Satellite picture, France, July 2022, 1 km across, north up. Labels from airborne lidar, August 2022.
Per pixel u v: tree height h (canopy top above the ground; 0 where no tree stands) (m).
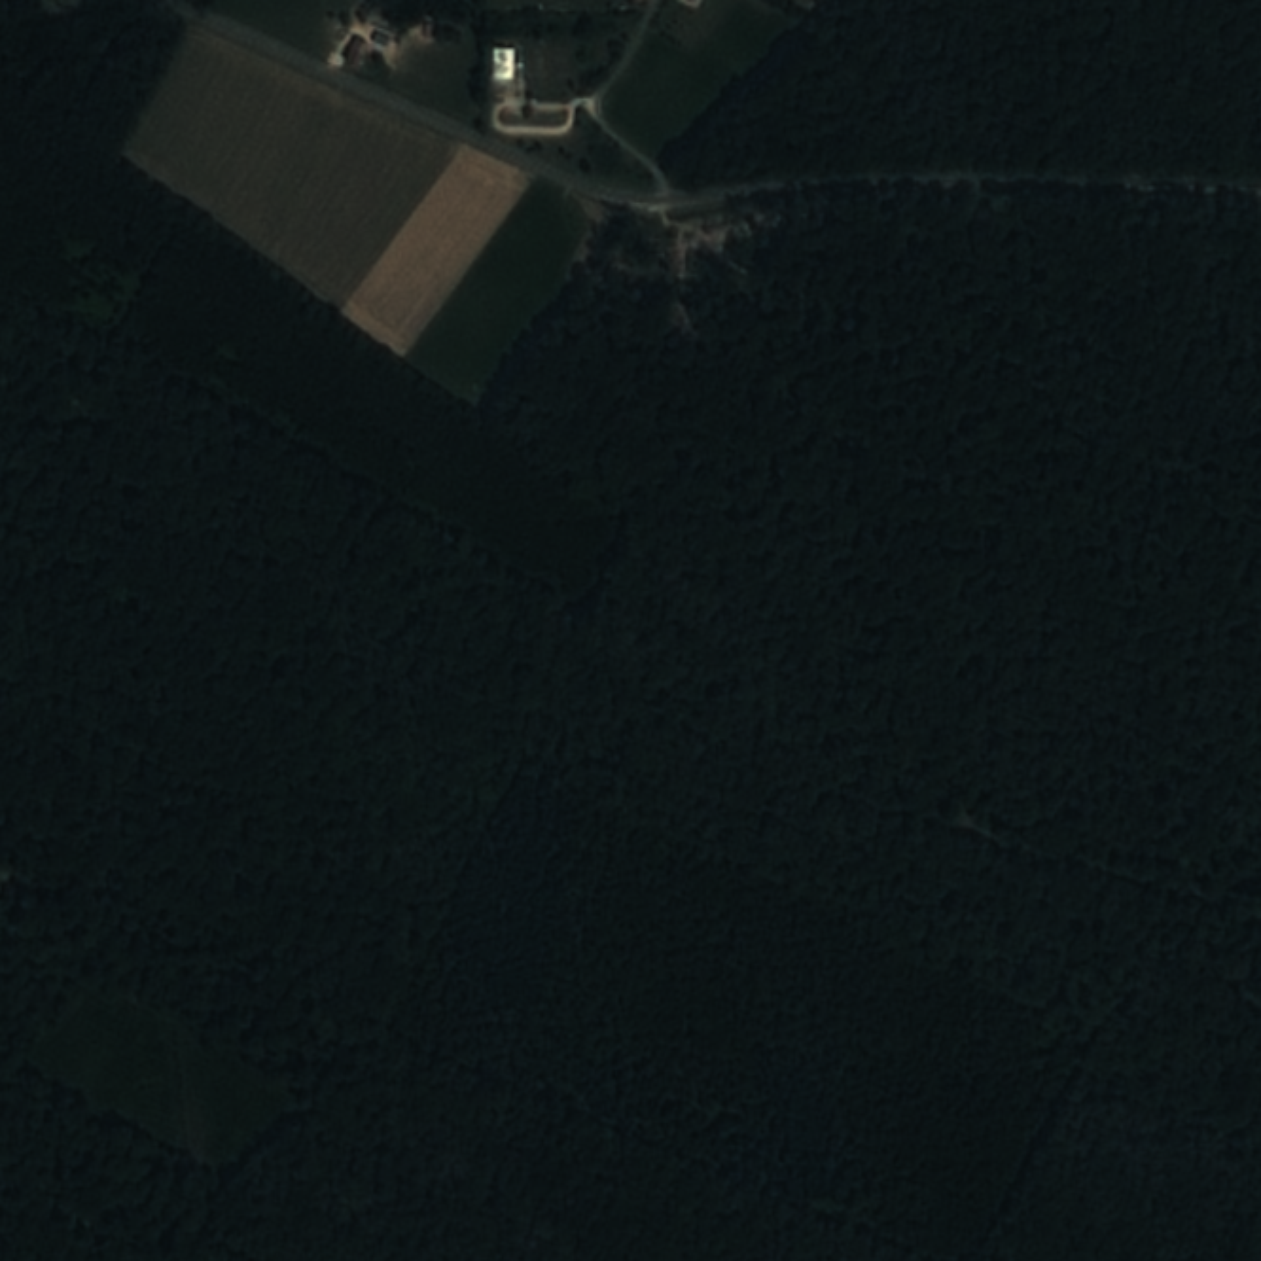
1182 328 24
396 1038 21
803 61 24
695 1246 24
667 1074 11
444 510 7
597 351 26
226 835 24
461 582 21
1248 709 21
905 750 21
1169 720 25
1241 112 23
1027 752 22
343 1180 24
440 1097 23
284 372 13
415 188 0
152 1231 26
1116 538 23
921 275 21
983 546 21
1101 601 25
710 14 0
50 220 7
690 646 21
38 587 24
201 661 29
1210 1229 21
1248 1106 22
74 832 26
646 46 0
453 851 18
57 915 22
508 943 16
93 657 29
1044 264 26
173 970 20
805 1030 13
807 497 21
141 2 16
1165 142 24
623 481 26
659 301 29
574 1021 10
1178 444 15
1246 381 22
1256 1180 24
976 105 21
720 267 26
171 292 15
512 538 7
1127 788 21
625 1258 26
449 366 0
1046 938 23
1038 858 6
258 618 26
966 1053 9
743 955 13
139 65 25
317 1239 24
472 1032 12
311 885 18
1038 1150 21
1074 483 23
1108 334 23
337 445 7
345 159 0
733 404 25
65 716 24
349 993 25
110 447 24
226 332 14
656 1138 9
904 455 17
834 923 12
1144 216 21
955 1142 12
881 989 14
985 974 23
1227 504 25
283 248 0
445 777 19
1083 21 21
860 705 17
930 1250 12
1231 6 20
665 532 24
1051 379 27
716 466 23
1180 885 21
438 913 20
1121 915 27
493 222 0
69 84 13
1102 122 21
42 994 27
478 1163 24
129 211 15
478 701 22
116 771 24
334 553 21
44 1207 25
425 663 21
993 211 23
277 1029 23
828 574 20
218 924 21
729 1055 10
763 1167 16
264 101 0
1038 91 25
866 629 7
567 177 0
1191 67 21
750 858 21
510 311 0
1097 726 23
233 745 28
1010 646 24
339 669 22
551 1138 23
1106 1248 26
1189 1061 21
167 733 27
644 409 22
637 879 12
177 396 22
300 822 25
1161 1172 24
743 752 23
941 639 22
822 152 21
